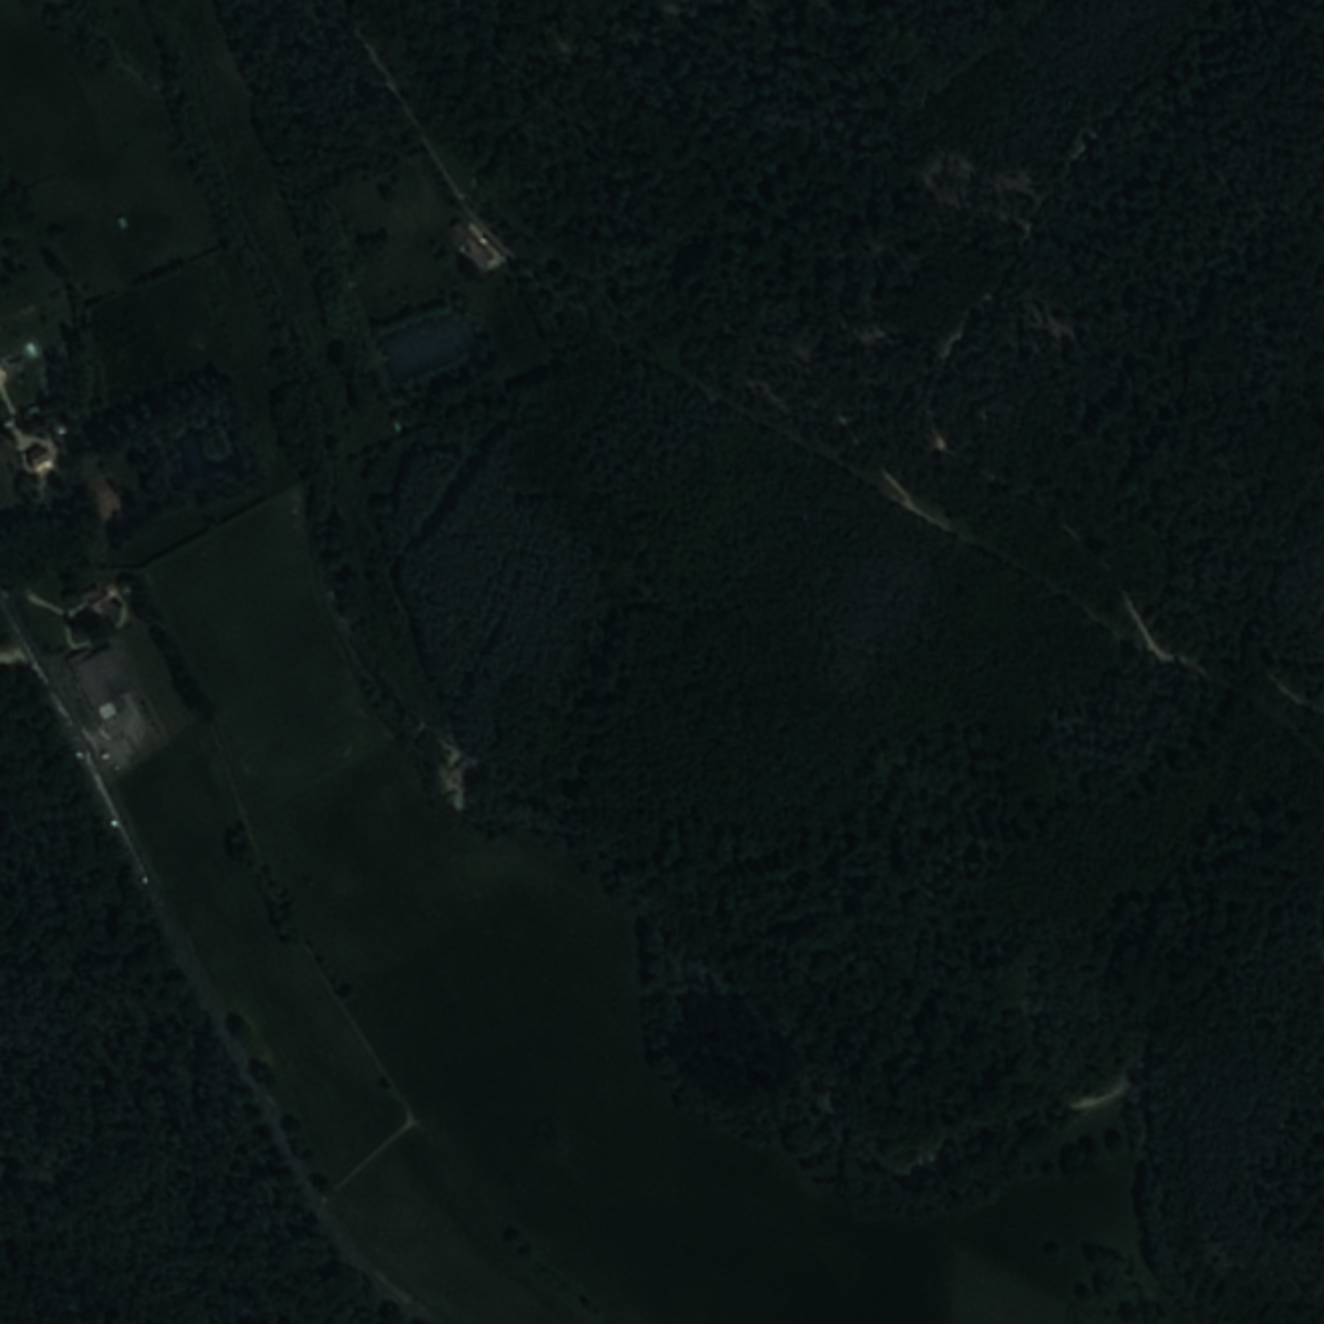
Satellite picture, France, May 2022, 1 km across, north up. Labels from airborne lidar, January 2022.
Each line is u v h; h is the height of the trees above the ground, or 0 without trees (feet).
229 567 0
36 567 73
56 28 34
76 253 0
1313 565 64
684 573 58
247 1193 79
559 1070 0
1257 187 59
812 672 27
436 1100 0
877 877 94
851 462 33
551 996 0
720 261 78
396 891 0
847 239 64
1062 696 34
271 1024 0
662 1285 0
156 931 68
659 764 58
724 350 60
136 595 31
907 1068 43
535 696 58
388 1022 0
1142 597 20
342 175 35
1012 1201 0
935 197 63
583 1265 0
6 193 72
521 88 71
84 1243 65
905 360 60
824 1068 61
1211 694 42
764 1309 0
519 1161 0
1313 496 51
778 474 39
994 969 93
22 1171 84
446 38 65
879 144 65
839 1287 0
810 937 94
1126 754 81
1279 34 77
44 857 39
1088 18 54
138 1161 78
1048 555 36
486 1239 0
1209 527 52
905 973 80
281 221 0
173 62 65
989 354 46
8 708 64
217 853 0
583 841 62
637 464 84
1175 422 51
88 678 0
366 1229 0
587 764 53
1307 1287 43
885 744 80
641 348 39
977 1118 90
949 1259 0
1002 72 53
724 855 51
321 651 0
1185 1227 38
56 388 66
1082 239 31
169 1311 50
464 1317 0
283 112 52
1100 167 67
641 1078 0
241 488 77
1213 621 53
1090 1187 0
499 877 0
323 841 0
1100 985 87
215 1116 83
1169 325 76
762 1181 0
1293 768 51
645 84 88
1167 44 66
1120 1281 58
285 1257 82
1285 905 73
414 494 62
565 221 58
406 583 62
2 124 0
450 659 63
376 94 101
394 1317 61
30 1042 93
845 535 50
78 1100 79
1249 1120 58
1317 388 65
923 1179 56
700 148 59
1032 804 91
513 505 64
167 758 0
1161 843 48
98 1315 58
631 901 23
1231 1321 59
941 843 81
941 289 40
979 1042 97
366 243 43
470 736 62
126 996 65
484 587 69
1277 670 30
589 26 75
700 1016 127
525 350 0
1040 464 52
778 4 29
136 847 0
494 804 78
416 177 0
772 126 77
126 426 98
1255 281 48
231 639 0
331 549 20
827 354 59
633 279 80
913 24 98
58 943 73
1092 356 35
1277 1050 40
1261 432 66
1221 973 66
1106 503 18
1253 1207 41
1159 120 79
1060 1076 77
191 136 39
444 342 0
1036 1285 0
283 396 47
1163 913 93
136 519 74
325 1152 0
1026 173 55
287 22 104
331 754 0
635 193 69
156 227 0
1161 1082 55
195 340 0
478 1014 0
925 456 37
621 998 0
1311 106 80
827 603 39
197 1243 66
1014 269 25
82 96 0
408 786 0
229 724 0
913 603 49
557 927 0
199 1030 42
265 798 0
